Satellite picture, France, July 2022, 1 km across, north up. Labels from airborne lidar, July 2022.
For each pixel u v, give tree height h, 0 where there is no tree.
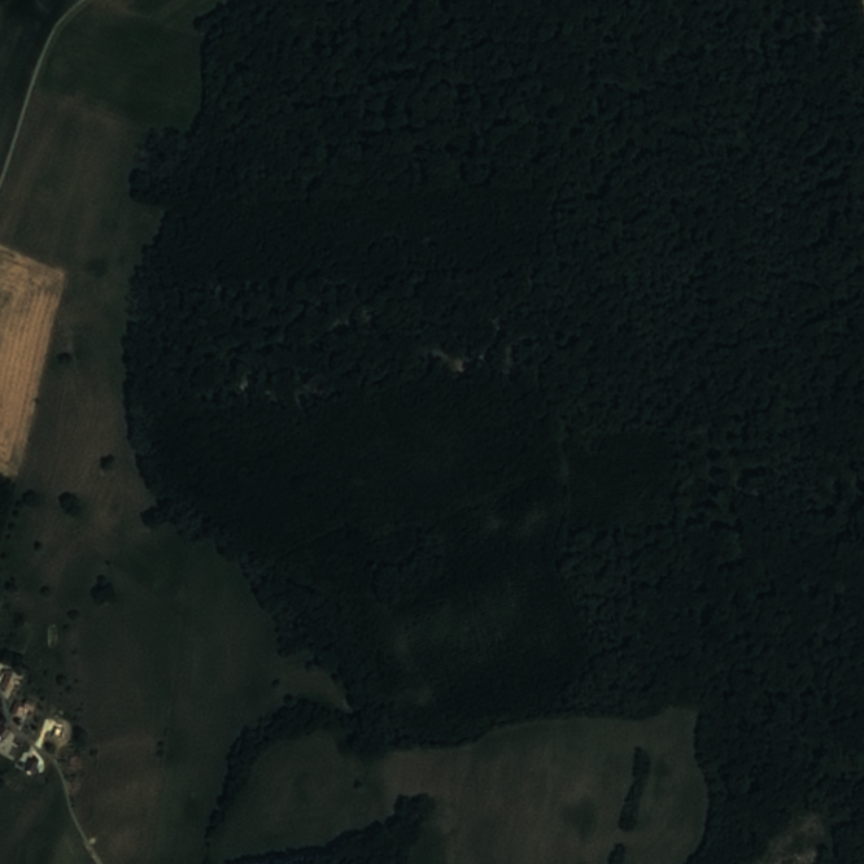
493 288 21
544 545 6
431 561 18
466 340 24
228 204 13
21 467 0
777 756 22
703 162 19
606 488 6
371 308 31
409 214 14
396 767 0
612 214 22
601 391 24
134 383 19
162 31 0
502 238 15
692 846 0
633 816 6
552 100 26
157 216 0
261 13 24
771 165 18
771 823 19
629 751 0
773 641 24
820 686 24
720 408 20
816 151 17
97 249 0
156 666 0
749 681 25
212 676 0
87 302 0
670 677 21
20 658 15
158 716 0
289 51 18
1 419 0
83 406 0
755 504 23
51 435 0
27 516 0
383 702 18
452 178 23
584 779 0
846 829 17
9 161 0
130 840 0
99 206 0
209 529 29
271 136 26
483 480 14
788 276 15
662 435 10
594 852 0
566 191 20
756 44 21
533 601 7
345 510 18
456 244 12
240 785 18
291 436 18
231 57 20
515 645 6
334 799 0
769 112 18
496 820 0
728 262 19
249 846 0
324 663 23
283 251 18
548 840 0
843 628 25
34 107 0
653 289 20
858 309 21
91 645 0
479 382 22
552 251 21
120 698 0
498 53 20
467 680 6
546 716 11
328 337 26
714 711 22
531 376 23
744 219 19
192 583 0
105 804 0
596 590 20
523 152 24
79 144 0
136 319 27
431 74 32
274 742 8
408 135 27
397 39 23
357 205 11
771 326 17
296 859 25
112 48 0
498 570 6
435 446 10
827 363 30
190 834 0
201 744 0
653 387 21
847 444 26
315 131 21
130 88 0
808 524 23
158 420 20
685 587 21
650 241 15
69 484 0
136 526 0
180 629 0
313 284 28
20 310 0
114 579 0
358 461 12
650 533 22
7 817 0
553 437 19
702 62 20
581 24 18
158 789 0
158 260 17
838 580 25
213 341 11
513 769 0
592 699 12
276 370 20
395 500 11
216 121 22
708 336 25
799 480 19
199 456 13
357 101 29
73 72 0
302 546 6
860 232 23
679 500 22
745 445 20
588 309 23
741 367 11
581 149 20
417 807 16
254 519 15
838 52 21
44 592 10
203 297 21
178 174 24
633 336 20
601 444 6
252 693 0
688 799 0
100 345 0
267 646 0
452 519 8
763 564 22
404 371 23
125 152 0
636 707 18
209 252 15
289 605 32
